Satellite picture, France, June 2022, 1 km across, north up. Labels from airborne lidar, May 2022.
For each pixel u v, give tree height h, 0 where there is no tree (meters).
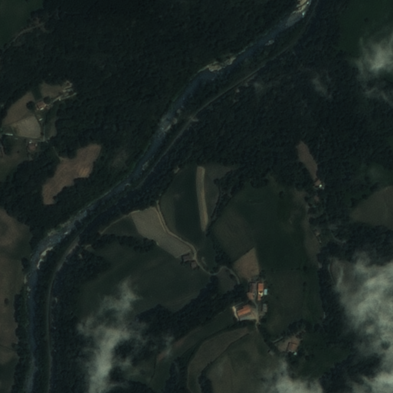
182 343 0
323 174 24
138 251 10
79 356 18
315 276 0
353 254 16
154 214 0
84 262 9
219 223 0
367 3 0
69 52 20
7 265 0
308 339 0
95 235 21
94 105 12
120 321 0
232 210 0
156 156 7
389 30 0
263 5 10
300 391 17
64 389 31
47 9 15
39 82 16
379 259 16
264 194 0
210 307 24
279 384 12
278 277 0
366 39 0
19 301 30
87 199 9
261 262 0
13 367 0
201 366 0
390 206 0
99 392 27
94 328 0
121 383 30
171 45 27
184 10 21
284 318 0
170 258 0
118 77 14
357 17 0
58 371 29
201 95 22
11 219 0
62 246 20
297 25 14
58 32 23
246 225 0
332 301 17
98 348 21
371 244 23
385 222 0
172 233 0
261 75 20
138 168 0
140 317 15
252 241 0
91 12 22
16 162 0
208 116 26
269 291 6
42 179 19
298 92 28
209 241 0
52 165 16
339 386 18
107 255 0
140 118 22
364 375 25
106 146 14
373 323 18
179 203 0
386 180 0
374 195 0
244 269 0
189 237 0
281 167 24
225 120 22
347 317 15
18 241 0
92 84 26
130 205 13
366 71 6
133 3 24
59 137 15
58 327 26
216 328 0
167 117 0
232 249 0
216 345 0
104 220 23
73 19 24
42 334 22
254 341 0
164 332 21
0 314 0
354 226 18
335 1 25
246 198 0
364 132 11
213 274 7
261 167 20
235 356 0
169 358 0
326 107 16
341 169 22
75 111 15
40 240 17
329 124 21
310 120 27
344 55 13
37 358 14
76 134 13
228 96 14
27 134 0
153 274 0
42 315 24
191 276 0
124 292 0
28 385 0
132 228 0
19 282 0
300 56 26
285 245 0
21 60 14
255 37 8
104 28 15
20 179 28
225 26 30
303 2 0
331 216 13
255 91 21
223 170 0
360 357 23
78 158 0
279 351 10
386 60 0
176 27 23
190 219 0
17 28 0
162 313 24
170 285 0
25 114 0
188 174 0
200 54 22
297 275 0
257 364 0
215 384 0
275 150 24
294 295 0
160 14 21
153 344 21
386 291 14
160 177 17
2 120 8
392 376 27
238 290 16
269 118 10
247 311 0
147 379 0
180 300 0
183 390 18
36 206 18
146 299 0
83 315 0
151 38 17
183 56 15
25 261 23
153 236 0
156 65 11
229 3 18
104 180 17
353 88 16
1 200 21
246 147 17
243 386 0
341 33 18
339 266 0
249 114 21
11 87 28
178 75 20
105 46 18
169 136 21
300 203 0
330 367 0
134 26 16
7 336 0
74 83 22
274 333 0
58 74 19
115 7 20
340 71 12
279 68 27
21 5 0
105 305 0
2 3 0
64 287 28
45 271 25
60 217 14
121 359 16
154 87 21
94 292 0
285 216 0
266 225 0
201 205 0
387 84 11
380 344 23
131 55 8
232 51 12
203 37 26
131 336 24
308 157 0
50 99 11
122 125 20
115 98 23
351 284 0
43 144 9
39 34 13
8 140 17
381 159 12
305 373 0
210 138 15
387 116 13
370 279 14
